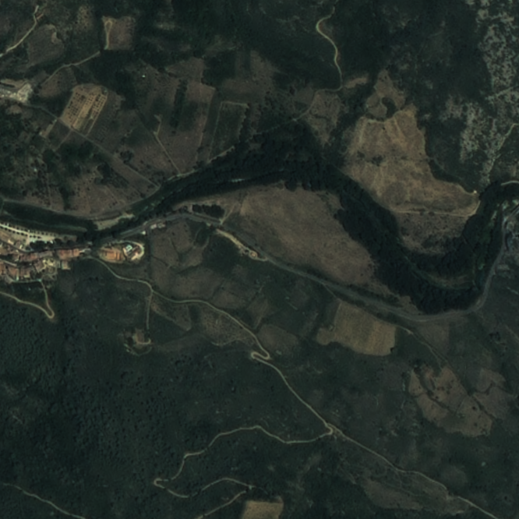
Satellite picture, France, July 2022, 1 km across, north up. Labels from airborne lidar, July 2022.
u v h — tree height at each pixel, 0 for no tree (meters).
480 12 0
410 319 0
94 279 9
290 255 0
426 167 0
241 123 6
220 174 16
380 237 25
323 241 0
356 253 0
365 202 16
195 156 0
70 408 10
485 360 0
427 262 25
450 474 0
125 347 7
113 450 14
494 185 17
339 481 6
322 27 0
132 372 7
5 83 7
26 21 0
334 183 15
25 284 7
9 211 6
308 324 0
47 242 8
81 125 0
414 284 29
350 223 23
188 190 15
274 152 16
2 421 6
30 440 10
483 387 0
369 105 0
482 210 6
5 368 14
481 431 0
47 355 7
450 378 0
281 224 0
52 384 12
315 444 6
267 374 7
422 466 0
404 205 0
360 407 0
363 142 0
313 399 0
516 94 0
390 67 8
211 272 0
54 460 7
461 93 0
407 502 0
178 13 14
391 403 0
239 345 0
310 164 12
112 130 0
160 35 11
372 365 0
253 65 0
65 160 7
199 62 0
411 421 0
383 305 0
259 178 15
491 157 0
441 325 0
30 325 13
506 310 0
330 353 0
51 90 0
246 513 0
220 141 0
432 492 0
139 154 0
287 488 6
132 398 6
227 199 0
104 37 0
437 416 0
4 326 11
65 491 6
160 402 11
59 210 0
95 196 0
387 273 12
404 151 0
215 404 6
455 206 0
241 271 0
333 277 0
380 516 8
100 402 8
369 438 0
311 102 0
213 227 10
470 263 24
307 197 0
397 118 0
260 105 6
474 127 0
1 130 7
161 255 0
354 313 0
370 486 0
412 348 0
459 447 0
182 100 8
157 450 7
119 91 12
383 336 0
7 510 7
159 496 14
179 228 0
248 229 0
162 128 0
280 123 9
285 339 0
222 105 0
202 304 0
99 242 24
